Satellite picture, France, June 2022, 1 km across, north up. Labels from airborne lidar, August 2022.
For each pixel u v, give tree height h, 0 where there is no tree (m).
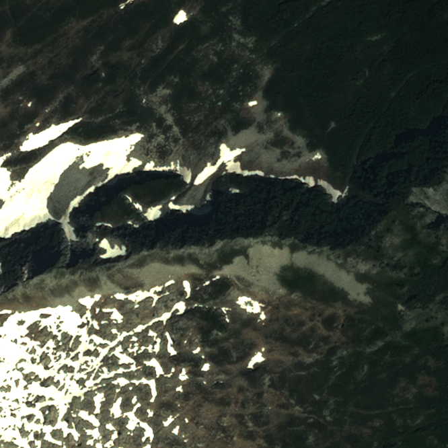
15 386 0
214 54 0
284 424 0
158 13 0
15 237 0
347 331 0
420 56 6
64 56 0
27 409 0
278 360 0
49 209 0
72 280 0
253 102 0
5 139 0
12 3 0
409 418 0
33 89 0
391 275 0
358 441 0
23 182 0
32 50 0
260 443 0
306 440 0
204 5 0
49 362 0
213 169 0
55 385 0
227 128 0
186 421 0
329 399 0
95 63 0
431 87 9
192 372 0
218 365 0
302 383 0
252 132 0
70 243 0
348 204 6
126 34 0
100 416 0
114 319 0
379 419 0
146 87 0
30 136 0
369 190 6
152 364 0
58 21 0
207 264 0
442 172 17
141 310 0
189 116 0
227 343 0
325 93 7
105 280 0
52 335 0
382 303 0
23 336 0
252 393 0
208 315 0
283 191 8
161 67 0
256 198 10
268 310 0
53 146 0
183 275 0
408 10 8
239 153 0
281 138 0
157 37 0
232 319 0
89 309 0
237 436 0
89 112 0
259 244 0
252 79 0
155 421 0
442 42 6
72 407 0
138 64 0
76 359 0
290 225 7
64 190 0
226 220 6
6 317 0
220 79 0
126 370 0
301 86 6
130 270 0
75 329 0
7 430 0
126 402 0
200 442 0
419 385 0
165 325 0
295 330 0
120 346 0
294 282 0
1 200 0
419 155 6
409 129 6
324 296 0
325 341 0
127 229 12
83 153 0
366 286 0
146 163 0
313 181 0
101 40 0
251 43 0
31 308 0
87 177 0
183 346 0
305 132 0
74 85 0
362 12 6
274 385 0
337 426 0
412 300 10
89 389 0
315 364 0
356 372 0
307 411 0
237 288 0
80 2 0
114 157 0
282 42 5
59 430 0
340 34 6
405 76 6
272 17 8
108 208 0
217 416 0
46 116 0
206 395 0
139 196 0
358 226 6
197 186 0
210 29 0
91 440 0
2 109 0
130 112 0
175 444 0
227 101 0
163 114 0
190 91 0
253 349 0
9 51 0
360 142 7
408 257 0
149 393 0
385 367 0
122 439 0
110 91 0
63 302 0
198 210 0
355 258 0
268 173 0
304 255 0
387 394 0
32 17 0
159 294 0
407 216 0
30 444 0
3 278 0
